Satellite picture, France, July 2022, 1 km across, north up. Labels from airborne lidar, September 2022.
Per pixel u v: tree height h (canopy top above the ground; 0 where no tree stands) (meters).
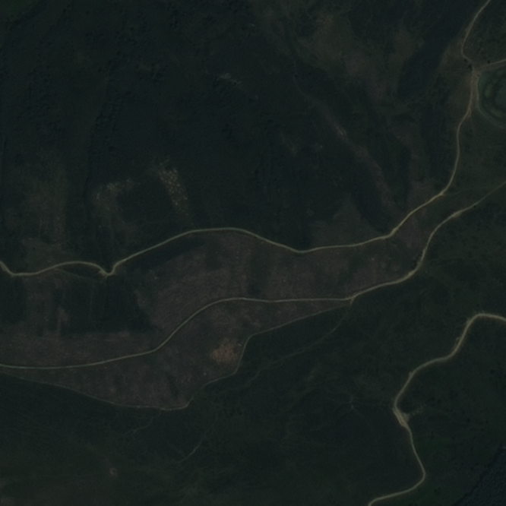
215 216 0
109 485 0
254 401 0
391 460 0
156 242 0
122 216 0
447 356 0
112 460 0
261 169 0
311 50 0
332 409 0
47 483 0
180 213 0
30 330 0
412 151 0
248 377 0
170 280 0
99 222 0
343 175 0
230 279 0
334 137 0
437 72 0
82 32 0
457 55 0
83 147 0
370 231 0
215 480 0
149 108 0
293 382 0
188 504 0
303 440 0
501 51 0
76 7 0
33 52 0
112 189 0
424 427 0
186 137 0
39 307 0
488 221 0
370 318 0
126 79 0
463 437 0
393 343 0
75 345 0
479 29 0
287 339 0
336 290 0
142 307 0
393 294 0
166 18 0
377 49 0
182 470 0
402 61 0
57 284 0
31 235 0
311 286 0
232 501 0
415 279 0
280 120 0
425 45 0
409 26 0
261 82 0
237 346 0
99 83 0
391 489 0
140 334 0
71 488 0
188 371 0
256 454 0
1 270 0
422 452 0
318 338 0
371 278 0
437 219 0
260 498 0
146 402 0
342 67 0
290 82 0
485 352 0
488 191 0
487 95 0
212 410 0
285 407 0
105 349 0
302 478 0
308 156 0
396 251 0
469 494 14
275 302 0
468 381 0
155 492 0
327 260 0
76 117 0
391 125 0
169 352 0
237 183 0
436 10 0
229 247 0
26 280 0
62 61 0
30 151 0
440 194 0
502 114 0
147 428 0
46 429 0
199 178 0
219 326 0
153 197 0
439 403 10
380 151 0
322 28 0
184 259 0
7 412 0
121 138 0
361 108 0
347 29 0
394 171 0
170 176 0
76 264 0
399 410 0
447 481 0
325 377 0
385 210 0
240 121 0
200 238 0
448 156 0
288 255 0
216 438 0
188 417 0
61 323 0
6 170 0
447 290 0
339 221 0
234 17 0
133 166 0
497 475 21
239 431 0
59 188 0
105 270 0
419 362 0
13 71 0
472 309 0
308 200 0
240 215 0
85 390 0
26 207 0
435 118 0
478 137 0
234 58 0
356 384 0
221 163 0
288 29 0
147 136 0
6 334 0
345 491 0
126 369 0
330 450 0
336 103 0
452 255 0
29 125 0
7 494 0
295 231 0
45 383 0
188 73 0
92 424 0
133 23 0
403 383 0
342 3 0
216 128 0
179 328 0
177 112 0
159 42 0
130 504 0
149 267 0
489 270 0
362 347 0
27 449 0
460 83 0
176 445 0
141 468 0
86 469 0
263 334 0
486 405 0
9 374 0
